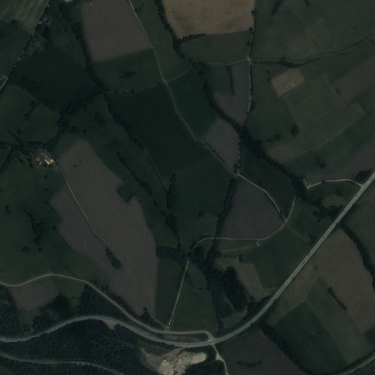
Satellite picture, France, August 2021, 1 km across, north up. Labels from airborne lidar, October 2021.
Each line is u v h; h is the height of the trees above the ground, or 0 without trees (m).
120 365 11
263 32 0
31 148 11
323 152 0
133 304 0
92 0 0
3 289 12
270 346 0
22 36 0
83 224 0
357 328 0
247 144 15
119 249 0
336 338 0
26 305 0
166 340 0
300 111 0
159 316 0
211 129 0
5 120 0
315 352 0
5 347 14
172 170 0
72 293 0
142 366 13
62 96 0
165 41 0
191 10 0
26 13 0
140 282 0
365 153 0
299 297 0
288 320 0
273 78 0
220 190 0
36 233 29
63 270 0
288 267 0
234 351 0
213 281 15
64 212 0
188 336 0
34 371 11
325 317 0
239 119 0
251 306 17
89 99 10
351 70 0
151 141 0
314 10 0
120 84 0
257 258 0
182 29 0
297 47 0
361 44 0
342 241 0
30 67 0
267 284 0
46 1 0
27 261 0
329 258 0
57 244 0
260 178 0
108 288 10
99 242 0
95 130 0
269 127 0
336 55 0
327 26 0
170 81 0
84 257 0
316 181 0
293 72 0
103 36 0
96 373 13
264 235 0
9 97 0
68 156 0
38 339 12
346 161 0
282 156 0
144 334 0
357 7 0
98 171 0
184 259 16
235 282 7
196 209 0
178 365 0
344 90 0
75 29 14
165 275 0
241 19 0
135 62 0
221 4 0
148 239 0
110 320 0
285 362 0
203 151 0
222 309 9
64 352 12
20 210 0
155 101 0
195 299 0
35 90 18
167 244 0
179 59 0
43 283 0
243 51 0
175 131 0
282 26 0
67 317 14
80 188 0
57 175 0
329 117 0
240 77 0
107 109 0
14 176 0
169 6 0
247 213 0
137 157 0
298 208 0
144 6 0
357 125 0
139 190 0
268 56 0
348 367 7
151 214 0
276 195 0
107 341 18
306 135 0
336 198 0
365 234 0
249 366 9
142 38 0
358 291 0
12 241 0
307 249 0
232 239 0
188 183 0
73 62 0
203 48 0
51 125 0
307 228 0
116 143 0
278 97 0
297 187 12
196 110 0
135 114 0
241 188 0
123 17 0
